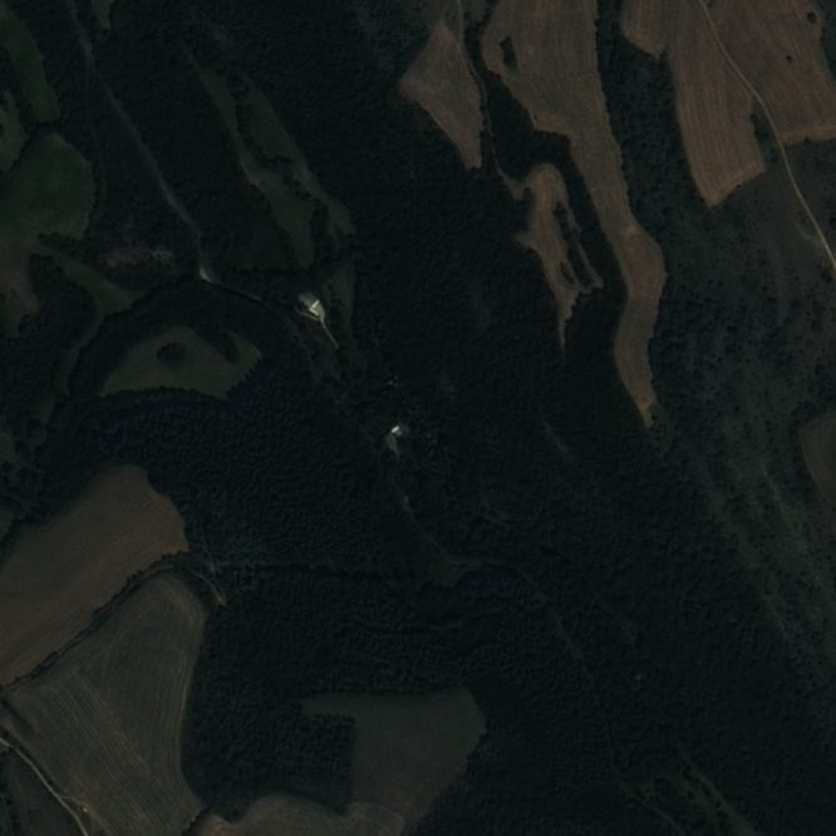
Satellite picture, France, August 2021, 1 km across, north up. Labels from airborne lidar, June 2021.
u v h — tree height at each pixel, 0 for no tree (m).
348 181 13
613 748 19
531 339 10
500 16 0
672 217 10
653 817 18
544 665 26
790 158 0
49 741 0
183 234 9
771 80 0
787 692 11
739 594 9
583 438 6
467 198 7
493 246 10
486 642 21
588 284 6
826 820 18
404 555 16
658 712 19
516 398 10
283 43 8
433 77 0
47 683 0
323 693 13
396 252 13
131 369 0
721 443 6
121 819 0
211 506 20
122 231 6
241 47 6
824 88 0
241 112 15
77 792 0
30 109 12
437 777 0
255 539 15
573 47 0
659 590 12
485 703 16
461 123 0
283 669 28
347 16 10
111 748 0
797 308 8
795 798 13
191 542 12
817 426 0
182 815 0
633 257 0
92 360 20
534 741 17
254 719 12
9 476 16
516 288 20
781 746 11
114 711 0
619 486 14
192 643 0
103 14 0
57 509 13
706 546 8
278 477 33
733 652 10
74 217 0
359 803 0
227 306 10
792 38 0
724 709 11
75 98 14
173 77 19
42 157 0
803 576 7
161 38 18
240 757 12
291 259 13
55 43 13
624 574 15
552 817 15
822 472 0
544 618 23
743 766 11
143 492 0
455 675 26
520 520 9
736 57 0
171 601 0
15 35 0
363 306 18
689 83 0
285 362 19
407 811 0
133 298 0
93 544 0
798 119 0
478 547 13
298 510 31
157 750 0
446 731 0
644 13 0
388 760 0
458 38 0
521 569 12
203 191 17
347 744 8
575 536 10
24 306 0
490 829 14
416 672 15
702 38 0
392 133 6
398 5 6
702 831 16
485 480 11
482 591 23
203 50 13
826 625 6
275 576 18
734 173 0
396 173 8
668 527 9
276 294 13
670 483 13
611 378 15
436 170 10
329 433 23
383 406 19
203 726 12
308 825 0
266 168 11
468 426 10
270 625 32
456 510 29
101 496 0
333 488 33
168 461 28
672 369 7
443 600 27
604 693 18
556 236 0
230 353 10
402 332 14
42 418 0
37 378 19
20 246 0
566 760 22
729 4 0
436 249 9
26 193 0
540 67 0
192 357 0
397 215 12
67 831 0
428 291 11
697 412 6
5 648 0
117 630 0
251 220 13
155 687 0
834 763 10
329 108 11
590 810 12
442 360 8
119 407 16
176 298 14
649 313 0
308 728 8
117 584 0
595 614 20
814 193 0
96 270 11
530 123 15
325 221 9
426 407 12
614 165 0
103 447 20
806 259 0
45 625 0
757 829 7
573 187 14
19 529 15
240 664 10
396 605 29
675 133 10
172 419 25
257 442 35
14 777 0
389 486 34
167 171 15
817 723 9
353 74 9
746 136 0
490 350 12
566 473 7
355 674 9
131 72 21
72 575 0
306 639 35
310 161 14
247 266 0
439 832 14
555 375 11
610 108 9
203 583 9
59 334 16
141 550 0
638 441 8
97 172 10
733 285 0
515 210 10
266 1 9
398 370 20
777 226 0
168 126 20
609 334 11
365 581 32
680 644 9
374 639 28
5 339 12
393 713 0
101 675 0
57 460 13
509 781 23
